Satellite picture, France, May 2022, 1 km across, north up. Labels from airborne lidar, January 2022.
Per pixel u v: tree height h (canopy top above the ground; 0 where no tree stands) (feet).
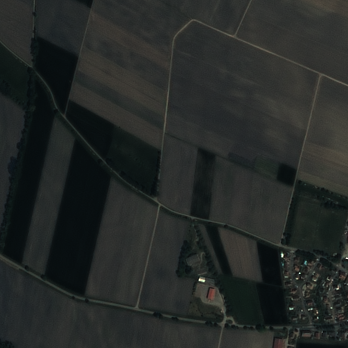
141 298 0
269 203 0
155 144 0
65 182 0
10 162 0
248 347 0
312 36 0
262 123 0
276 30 0
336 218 0
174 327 0
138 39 0
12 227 0
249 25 0
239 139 0
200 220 0
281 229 0
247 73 0
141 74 0
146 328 0
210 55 0
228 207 0
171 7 0
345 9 0
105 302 0
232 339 0
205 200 0
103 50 0
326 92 0
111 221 0
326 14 0
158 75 0
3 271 0
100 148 0
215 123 0
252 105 0
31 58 0
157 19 0
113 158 0
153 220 0
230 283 0
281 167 0
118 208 0
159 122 0
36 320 0
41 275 0
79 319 0
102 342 0
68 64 0
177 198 0
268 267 0
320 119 0
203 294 0
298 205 0
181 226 0
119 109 0
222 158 0
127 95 0
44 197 0
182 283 0
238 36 0
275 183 0
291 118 0
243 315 0
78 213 0
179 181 0
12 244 0
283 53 0
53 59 0
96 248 0
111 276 0
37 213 0
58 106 0
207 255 29
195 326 0
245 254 0
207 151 0
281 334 0
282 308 0
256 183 0
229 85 0
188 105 0
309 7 0
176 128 0
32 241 0
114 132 0
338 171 0
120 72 0
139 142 0
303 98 0
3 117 0
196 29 0
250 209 0
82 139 0
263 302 0
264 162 0
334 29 0
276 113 0
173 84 0
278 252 0
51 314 0
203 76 0
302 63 0
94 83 0
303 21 0
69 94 0
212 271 42
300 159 0
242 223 0
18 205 0
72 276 0
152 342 0
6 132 0
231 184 0
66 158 0
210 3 0
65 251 0
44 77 0
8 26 0
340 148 0
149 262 0
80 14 0
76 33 0
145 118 0
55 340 0
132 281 0
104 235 0
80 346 0
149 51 0
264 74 0
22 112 0
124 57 0
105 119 0
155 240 0
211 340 0
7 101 0
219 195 0
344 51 0
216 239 0
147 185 0
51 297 0
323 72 0
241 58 0
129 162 0
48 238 0
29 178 0
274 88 0
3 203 0
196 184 0
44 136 0
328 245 0
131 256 0
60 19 0
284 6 0
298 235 0
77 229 0
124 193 0
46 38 0
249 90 0
